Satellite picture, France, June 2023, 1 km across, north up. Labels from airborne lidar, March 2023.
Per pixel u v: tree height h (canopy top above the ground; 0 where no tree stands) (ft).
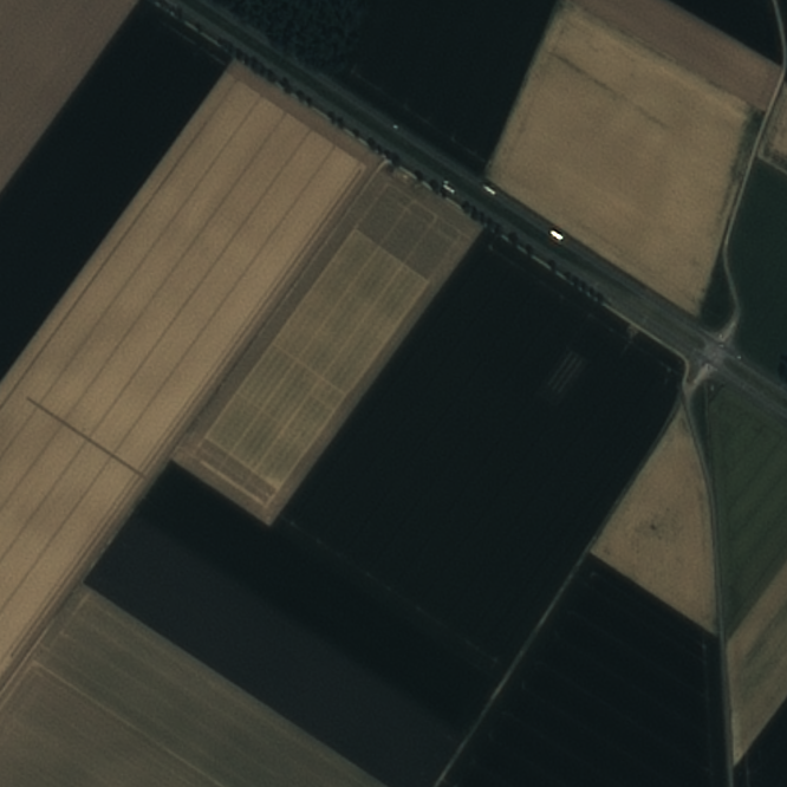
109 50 0
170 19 0
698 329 0
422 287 0
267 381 0
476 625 0
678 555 0
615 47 0
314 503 0
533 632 0
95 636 0
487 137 0
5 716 0
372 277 0
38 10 0
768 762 0
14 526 0
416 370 0
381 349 0
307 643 0
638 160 0
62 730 0
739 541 0
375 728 0
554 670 0
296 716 0
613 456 0
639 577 0
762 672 0
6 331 0
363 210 0
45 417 0
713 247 0
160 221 0
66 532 0
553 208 0
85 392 0
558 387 0
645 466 0
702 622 0
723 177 0
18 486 0
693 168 0
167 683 0
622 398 0
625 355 0
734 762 0
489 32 0
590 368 0
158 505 0
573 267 0
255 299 0
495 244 0
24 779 0
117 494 0
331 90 0
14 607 0
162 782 0
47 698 0
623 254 0
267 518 0
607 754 0
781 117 0
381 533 0
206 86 0
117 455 0
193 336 0
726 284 0
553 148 0
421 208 0
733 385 0
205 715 0
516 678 0
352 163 0
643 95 0
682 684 0
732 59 0
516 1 0
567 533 0
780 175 0
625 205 0
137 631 0
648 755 0
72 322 0
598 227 0
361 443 0
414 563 0
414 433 0
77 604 0
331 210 0
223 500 0
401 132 0
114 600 0
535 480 0
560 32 0
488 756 0
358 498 0
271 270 0
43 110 0
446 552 0
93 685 0
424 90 0
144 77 0
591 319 0
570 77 0
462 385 0
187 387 0
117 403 0
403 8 0
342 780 0
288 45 73
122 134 0
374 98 0
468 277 0
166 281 0
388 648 0
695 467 0
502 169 0
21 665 0
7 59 0
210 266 0
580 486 0
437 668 0
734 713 0
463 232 0
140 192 0
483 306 0
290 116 0
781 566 0
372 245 0
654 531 0
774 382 0
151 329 0
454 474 0
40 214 0
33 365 0
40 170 0
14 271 0
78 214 0
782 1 0
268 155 0
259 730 0
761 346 0
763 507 0
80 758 0
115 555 0
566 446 0
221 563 0
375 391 0
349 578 0
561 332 0
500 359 0
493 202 0
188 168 0
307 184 0
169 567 0
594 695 0
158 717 0
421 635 0
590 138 0
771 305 0
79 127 0
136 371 0
